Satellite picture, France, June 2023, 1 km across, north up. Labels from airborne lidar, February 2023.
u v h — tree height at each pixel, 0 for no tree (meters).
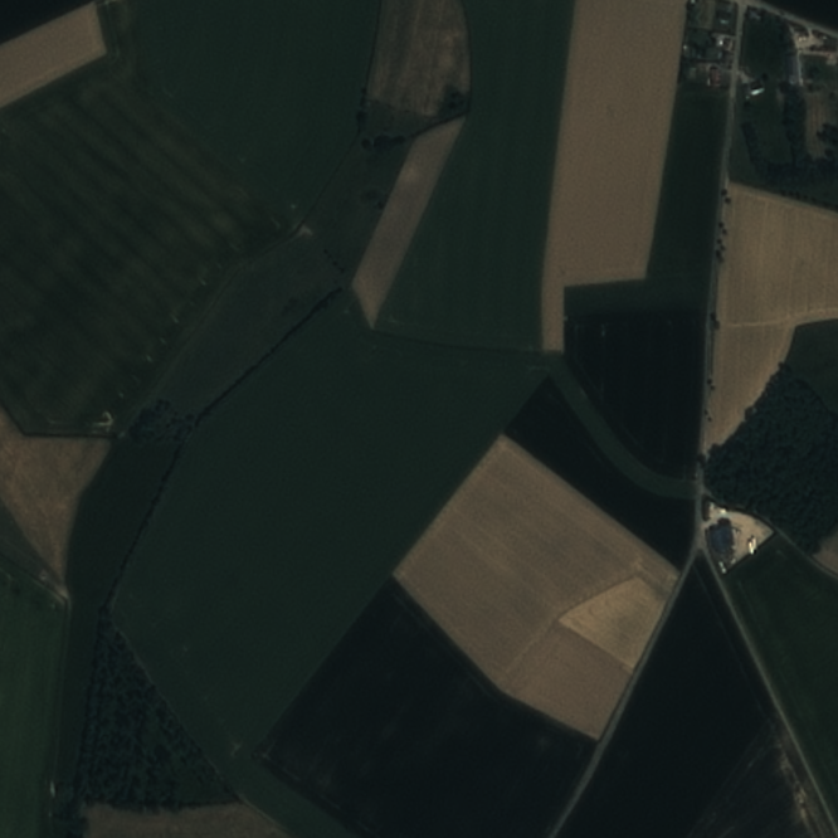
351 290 0
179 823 0
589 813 0
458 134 0
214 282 0
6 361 0
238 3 0
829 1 0
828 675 0
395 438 0
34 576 0
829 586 0
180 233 0
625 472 0
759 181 0
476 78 0
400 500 0
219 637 0
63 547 0
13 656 0
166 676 0
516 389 0
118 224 0
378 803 0
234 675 0
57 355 0
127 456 0
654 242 0
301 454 0
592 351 0
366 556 0
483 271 0
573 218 0
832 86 0
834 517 12
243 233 0
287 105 0
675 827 0
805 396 19
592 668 0
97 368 0
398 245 0
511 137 0
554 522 0
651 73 0
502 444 0
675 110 0
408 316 0
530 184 0
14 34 0
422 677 0
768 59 0
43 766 0
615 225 0
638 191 0
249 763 0
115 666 20
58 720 0
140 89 0
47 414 0
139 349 0
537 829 0
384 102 0
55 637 0
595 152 0
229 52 0
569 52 0
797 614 0
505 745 0
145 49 0
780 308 0
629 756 0
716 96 0
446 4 0
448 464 0
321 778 0
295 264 0
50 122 0
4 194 0
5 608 0
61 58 0
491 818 0
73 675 0
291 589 0
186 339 0
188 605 0
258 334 0
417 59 0
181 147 0
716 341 0
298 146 0
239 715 0
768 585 0
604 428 0
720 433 0
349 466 0
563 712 0
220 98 0
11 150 0
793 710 0
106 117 0
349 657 0
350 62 0
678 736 0
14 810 0
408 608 0
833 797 0
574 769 0
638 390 0
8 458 0
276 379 0
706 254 0
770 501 17
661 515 0
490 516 0
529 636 0
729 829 0
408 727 0
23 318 0
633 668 0
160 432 11
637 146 0
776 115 0
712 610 0
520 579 0
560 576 0
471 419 0
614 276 0
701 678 0
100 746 21
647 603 0
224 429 0
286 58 0
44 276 0
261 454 0
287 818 0
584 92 0
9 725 0
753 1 0
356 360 0
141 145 0
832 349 0
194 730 0
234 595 0
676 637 0
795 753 0
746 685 0
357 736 0
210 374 0
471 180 0
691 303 0
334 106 0
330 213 0
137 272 0
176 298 0
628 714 0
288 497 0
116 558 0
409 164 0
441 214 0
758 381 0
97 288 0
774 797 0
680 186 0
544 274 0
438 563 0
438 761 0
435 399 0
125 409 0
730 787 0
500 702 0
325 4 0
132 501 0
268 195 0
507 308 0
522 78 0
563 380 0
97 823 0
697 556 0
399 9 0
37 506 0
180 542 0
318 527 0
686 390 0
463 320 0
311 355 0
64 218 0
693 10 12
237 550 0
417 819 0
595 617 0
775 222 0
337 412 0
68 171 0
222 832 0
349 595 0
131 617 0
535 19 0
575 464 0
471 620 0
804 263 0
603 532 0
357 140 0
